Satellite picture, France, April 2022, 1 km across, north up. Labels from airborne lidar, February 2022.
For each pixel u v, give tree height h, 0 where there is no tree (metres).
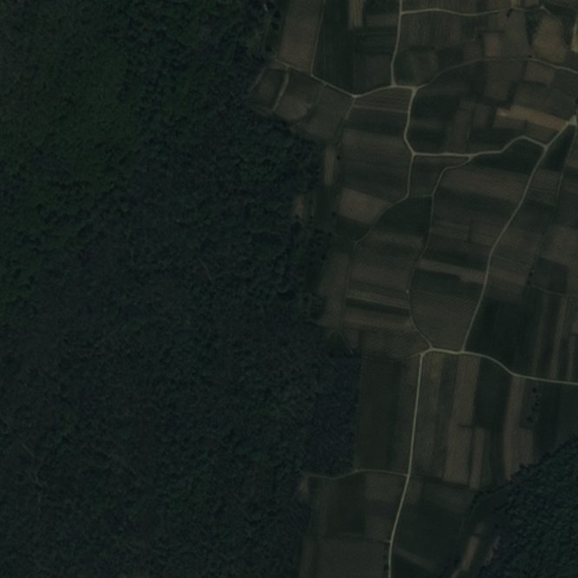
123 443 22
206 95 18
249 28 23
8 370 18
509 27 0
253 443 29
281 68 0
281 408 28
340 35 0
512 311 0
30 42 25
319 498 0
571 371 0
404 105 0
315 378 25
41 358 16
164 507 19
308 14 0
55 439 19
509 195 0
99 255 25
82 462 23
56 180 11
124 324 20
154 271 11
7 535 18
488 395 0
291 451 23
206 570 19
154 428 20
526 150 0
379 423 0
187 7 30
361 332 0
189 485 20
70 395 21
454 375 0
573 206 0
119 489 19
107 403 20
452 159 0
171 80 27
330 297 0
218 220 26
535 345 0
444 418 0
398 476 0
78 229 27
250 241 20
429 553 0
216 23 30
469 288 0
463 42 0
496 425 0
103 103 19
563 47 0
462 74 0
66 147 21
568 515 7
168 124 23
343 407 24
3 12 27
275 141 25
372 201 0
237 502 23
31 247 32
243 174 22
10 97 25
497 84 0
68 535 22
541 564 9
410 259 0
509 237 0
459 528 0
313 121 0
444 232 0
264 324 24
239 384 27
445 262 0
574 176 0
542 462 10
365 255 0
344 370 24
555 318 0
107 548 18
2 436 19
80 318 22
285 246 19
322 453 25
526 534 12
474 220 0
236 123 15
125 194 18
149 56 17
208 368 28
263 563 26
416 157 0
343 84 0
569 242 0
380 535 0
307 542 0
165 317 23
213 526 10
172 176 21
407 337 0
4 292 26
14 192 20
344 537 0
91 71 23
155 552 18
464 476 0
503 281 0
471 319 0
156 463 21
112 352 22
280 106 0
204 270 21
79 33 28
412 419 0
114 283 17
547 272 0
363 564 0
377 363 0
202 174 17
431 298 0
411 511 0
